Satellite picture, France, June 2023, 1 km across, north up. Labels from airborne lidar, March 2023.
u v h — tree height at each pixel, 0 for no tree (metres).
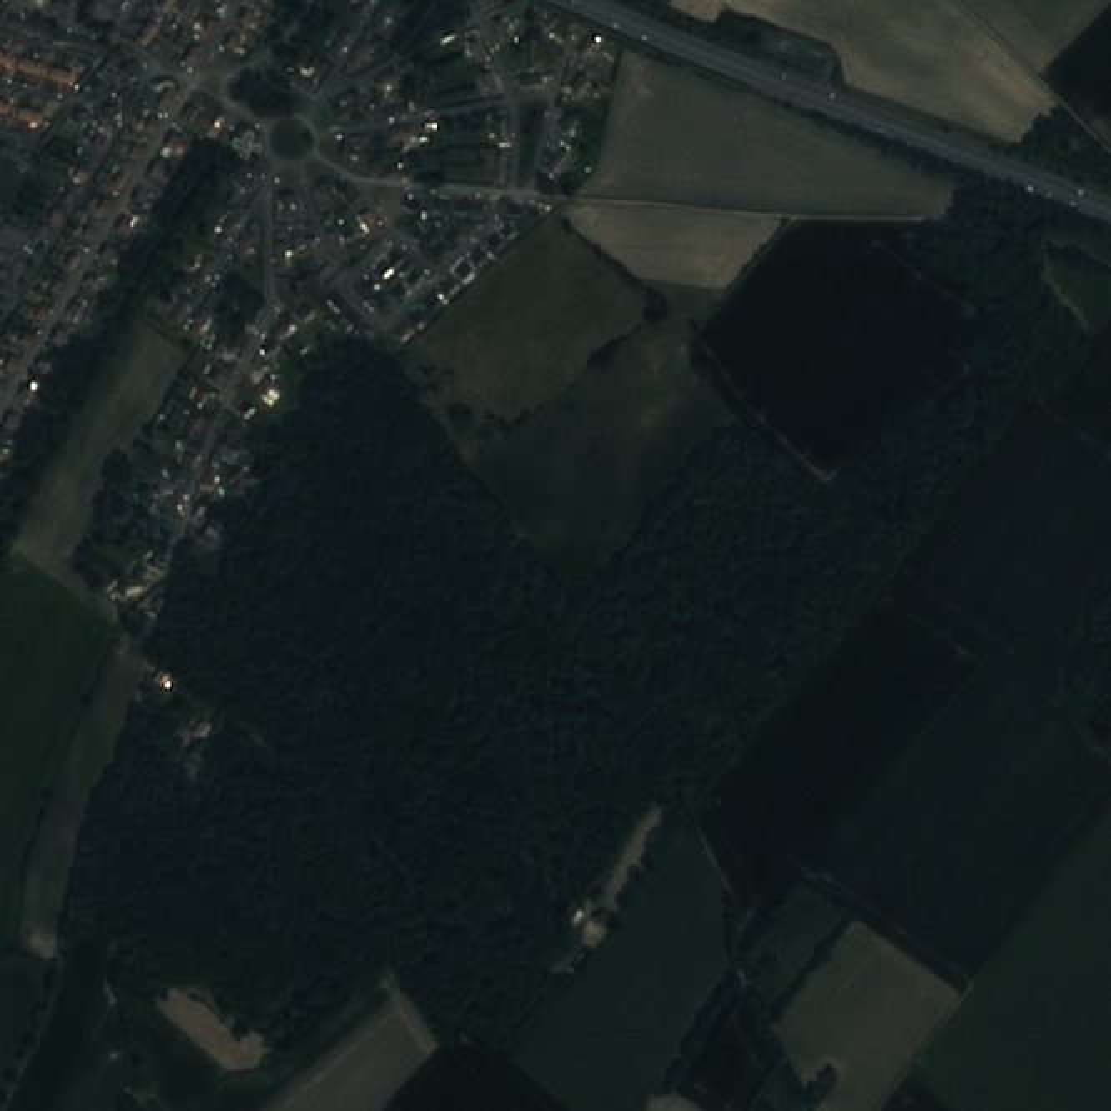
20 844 0
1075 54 0
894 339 0
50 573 0
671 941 0
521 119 0
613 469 0
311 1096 0
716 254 0
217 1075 0
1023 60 0
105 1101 0
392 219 0
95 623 0
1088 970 0
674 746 29
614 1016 0
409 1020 0
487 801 19
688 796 9
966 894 0
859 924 0
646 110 0
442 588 24
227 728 23
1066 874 0
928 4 0
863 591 26
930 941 0
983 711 0
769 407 0
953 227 15
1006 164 0
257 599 25
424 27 21
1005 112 0
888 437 21
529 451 0
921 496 24
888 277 0
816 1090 9
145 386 0
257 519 22
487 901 24
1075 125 6
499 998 16
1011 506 0
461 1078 0
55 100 0
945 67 0
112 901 25
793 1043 0
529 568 26
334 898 24
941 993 0
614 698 24
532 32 9
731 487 22
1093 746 0
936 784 0
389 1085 0
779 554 28
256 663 23
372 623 25
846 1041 0
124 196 0
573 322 0
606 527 18
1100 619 18
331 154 0
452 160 0
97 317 15
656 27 0
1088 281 0
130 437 0
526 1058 0
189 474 0
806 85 0
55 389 17
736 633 25
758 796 0
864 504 28
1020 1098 0
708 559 20
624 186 0
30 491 15
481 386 0
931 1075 0
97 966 0
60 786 0
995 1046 0
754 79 0
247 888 29
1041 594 0
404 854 24
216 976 28
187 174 8
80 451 0
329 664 28
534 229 0
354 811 24
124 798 24
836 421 0
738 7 0
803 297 0
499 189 0
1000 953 0
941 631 0
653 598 23
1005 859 0
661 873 0
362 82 0
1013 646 0
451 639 26
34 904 0
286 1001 0
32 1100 0
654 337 0
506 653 28
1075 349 22
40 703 0
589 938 0
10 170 0
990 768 0
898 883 0
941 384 0
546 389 0
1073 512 0
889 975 0
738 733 21
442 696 26
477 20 0
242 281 11
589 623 27
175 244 13
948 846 0
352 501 26
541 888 27
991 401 22
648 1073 0
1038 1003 0
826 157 0
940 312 0
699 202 0
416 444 26
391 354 0
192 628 20
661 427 0
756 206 0
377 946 20
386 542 28
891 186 0
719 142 0
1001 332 24
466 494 29
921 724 0
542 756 27
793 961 0
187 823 29
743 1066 0
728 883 0
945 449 23
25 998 0
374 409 28
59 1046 0
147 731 13
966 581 0
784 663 22
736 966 10
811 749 0
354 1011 0
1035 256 13
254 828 23
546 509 0
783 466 24
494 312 0
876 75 0
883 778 0
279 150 0
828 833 0
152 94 0
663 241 0
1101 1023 0
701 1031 11
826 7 0
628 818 25
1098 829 0
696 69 0
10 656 0
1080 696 19
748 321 0
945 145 0
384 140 9
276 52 12
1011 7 0
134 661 0
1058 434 0
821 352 0
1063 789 0
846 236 0
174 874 30
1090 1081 0
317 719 24
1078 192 0
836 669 0
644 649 16
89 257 0
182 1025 0
